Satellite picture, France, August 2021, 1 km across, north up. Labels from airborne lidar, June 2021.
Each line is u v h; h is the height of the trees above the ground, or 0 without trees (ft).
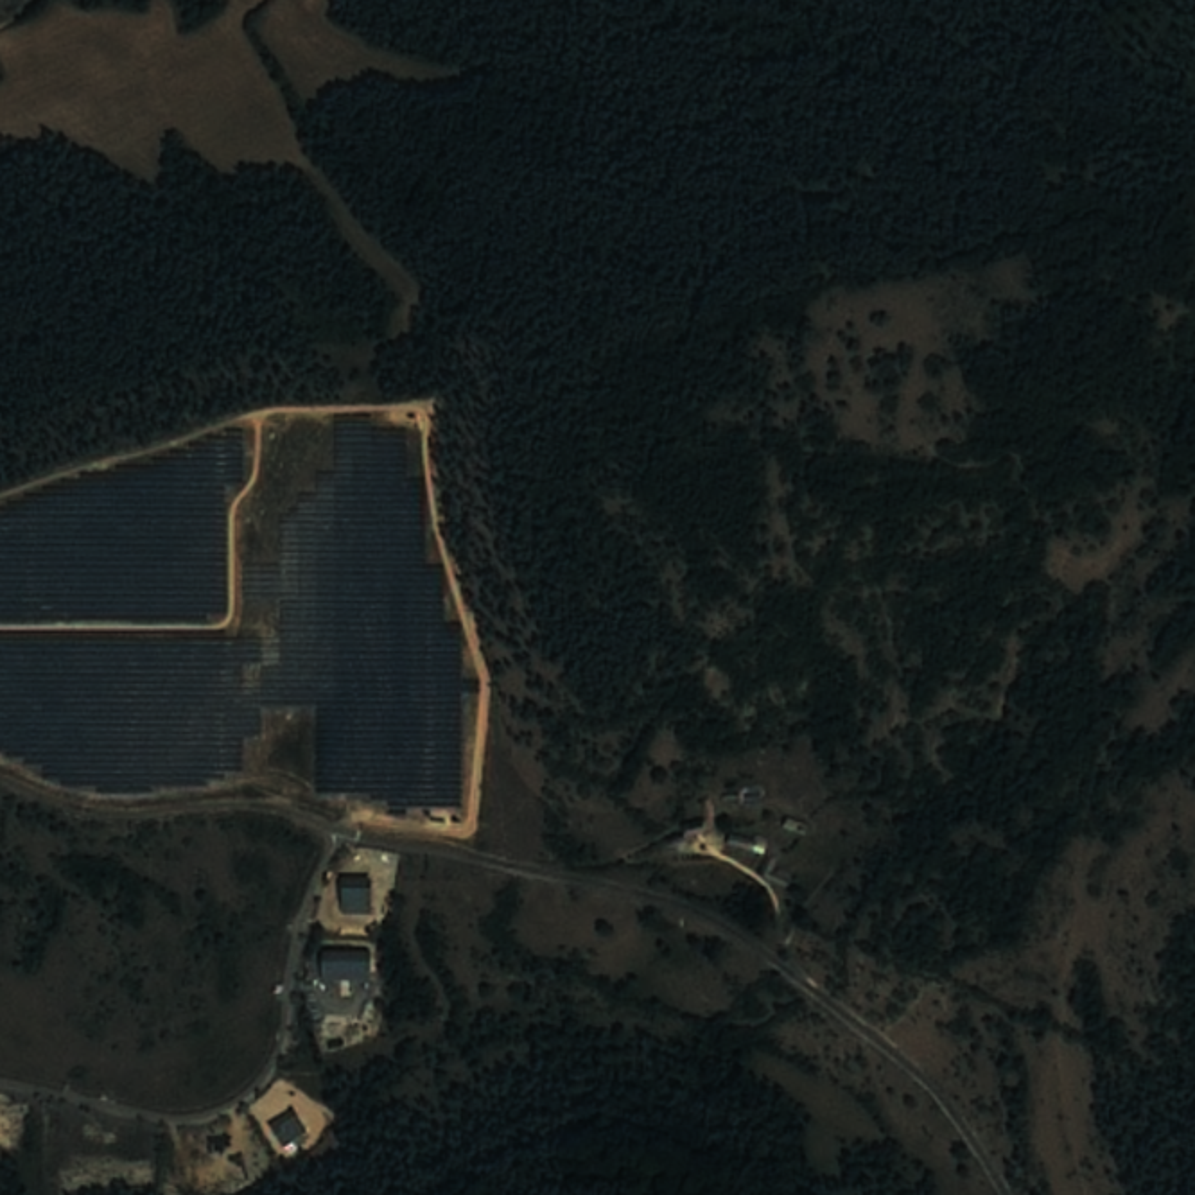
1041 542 20
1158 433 30
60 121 0
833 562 25
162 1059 0
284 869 0
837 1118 0
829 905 0
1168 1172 57
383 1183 64
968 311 0
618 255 38
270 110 0
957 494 26
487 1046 32
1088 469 31
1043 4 44
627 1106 51
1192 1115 27
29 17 33
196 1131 0
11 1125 0
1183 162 40
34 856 0
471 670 0
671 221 66
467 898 0
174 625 0
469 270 58
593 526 24
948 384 0
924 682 22
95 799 0
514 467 40
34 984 0
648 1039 45
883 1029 0
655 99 68
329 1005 0
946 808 27
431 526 0
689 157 73
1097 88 34
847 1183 26
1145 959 0
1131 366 37
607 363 22
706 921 0
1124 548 0
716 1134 78
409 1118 22
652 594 23
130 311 63
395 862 0
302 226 40
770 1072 0
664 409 31
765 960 0
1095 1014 22
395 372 35
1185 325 29
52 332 56
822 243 51
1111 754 26
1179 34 39
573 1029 38
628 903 0
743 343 29
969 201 60
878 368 28
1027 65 22
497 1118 37
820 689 31
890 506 40
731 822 31
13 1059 0
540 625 34
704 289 61
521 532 37
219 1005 0
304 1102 0
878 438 0
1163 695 0
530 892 0
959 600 20
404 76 0
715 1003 0
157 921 0
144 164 0
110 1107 0
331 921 0
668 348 23
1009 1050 31
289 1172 57
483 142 52
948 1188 0
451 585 0
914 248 31
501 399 41
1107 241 46
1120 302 35
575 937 0
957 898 25
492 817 0
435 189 48
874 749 19
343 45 0
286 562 0
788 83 57
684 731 31
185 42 0
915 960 28
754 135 61
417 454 0
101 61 0
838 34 37
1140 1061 25
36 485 0
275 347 46
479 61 47
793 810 0
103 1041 0
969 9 44
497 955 29
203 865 0
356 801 0
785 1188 78
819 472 27
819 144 37
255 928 0
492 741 0
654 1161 102
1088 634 38
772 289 53
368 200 37
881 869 21
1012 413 35
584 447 26
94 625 0
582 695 27
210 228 39
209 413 42
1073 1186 0
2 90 0
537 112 64
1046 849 31
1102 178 30
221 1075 0
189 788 0
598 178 51
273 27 0
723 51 47
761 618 26
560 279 62
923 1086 0
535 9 54
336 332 0
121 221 58
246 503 0
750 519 29
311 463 0
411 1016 21
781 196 65
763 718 26
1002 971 0
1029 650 19
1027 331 37
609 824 0
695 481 31
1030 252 32
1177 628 35
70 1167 0
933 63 39
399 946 22
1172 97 41
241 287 47
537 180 57
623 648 39
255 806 0
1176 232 18
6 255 33
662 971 0
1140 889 0
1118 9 41
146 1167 0
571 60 59
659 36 53
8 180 57
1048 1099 0
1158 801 0
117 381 58
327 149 29
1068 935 0
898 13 58
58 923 18
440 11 47
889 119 43
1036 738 22
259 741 0
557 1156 56
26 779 0
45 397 47
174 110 0
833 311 0
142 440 43
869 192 30
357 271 34
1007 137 53
